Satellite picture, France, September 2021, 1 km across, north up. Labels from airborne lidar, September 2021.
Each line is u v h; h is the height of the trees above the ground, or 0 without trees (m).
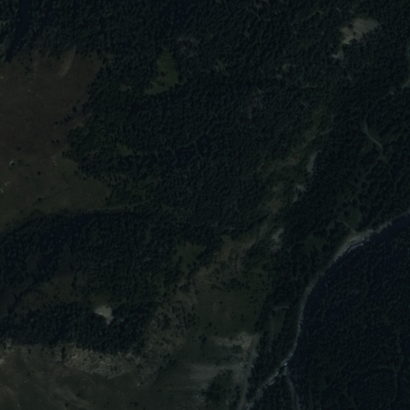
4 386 0
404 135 11
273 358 14
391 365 23
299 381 7
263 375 22
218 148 15
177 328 11
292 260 14
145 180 13
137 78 14
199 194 24
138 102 14
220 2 0
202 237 16
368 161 14
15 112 0
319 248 0
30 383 0
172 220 9
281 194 6
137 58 6
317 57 24
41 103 0
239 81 12
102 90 12
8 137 0
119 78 11
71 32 9
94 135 9
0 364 0
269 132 15
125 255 22
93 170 8
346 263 11
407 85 0
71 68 0
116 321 12
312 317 18
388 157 15
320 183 22
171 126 20
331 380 15
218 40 29
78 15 11
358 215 0
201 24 27
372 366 21
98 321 8
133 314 18
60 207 0
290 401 16
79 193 0
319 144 18
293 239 12
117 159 7
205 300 0
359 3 25
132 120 30
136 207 11
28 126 0
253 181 10
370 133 0
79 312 8
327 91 10
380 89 14
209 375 0
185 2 11
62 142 0
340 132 17
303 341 16
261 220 10
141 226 20
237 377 0
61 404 0
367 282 9
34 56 0
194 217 8
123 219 12
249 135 20
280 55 25
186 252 0
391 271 10
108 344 9
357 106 17
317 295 9
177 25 10
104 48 7
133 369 0
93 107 7
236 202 10
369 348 23
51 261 15
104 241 21
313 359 14
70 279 0
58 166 0
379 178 14
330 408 14
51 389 0
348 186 12
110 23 9
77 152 14
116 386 0
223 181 22
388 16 16
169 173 7
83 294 9
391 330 13
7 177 0
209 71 21
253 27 19
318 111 17
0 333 6
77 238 13
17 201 0
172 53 13
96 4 7
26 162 0
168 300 11
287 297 10
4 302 0
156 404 0
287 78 14
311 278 17
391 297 23
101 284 7
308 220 19
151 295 9
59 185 0
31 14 10
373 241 12
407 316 26
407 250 18
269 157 15
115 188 11
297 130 7
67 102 0
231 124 18
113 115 9
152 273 15
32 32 7
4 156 0
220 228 14
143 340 9
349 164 24
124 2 8
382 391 23
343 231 10
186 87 17
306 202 17
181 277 11
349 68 15
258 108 24
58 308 9
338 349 24
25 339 0
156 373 9
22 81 0
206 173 17
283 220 8
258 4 22
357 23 0
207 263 11
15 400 0
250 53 22
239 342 0
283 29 22
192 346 0
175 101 24
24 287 0
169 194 22
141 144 13
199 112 17
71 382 0
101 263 14
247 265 11
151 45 9
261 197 24
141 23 8
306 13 22
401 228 10
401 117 16
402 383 16
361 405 11
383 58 25
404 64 22
